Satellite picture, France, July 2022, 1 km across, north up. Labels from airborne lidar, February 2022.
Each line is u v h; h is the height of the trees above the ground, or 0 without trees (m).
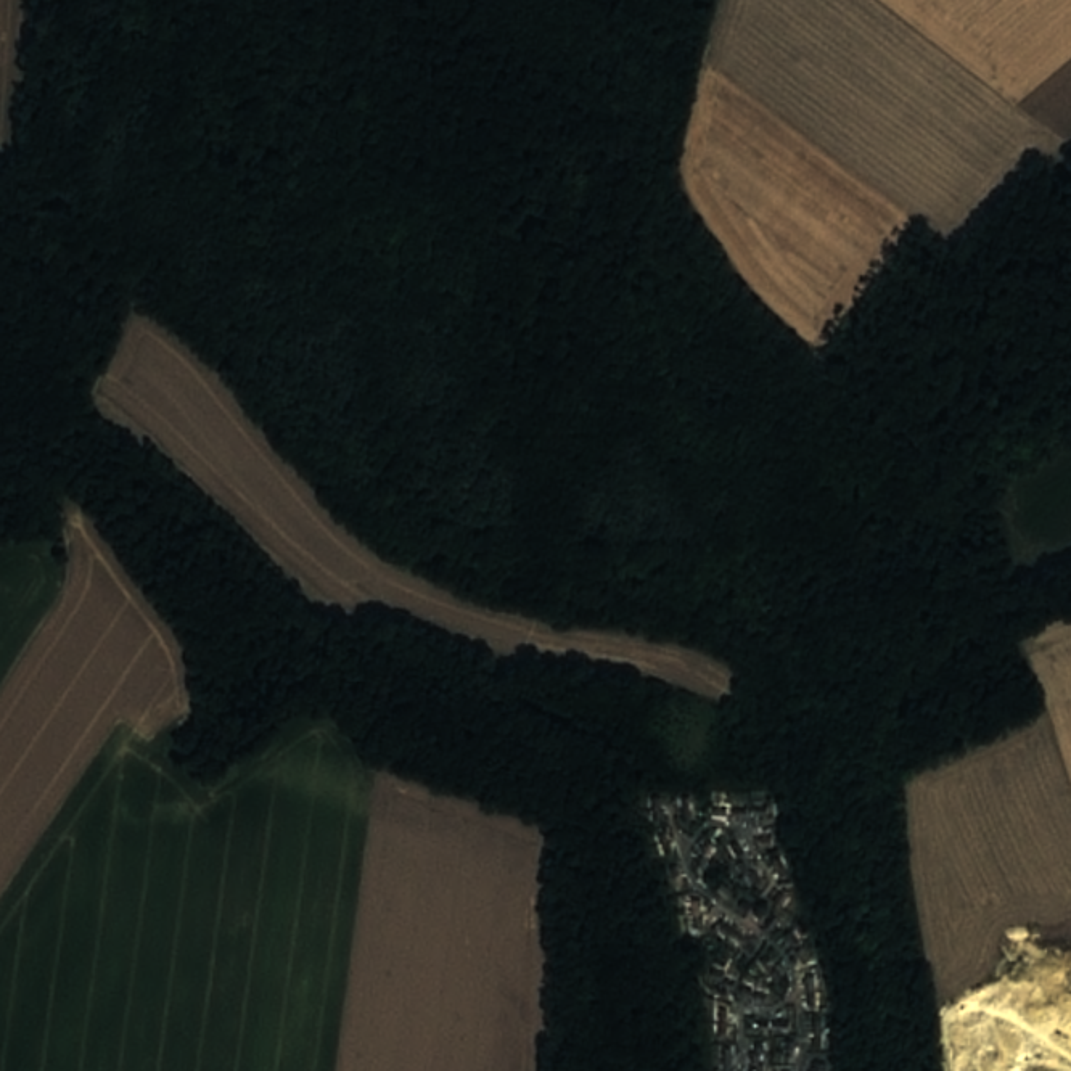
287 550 0
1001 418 21
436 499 17
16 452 27
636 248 16
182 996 0
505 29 24
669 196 20
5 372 28
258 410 21
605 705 10
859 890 17
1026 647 0
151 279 23
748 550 15
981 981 0
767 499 19
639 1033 20
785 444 22
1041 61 0
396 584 0
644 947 26
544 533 22
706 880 10
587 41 29
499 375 24
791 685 21
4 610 0
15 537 19
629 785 24
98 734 0
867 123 0
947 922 0
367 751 18
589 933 21
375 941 0
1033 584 21
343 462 17
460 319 19
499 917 0
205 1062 0
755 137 0
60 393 24
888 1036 20
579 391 22
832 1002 10
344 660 22
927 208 0
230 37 22
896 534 24
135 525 23
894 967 17
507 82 24
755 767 14
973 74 0
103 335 21
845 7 0
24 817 0
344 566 0
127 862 0
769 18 0
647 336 20
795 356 20
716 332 22
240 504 0
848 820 22
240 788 0
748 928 0
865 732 21
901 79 0
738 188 0
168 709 0
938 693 20
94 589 0
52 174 23
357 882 0
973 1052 0
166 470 17
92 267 23
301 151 22
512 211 23
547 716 20
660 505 17
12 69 0
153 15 17
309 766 0
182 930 0
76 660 0
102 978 0
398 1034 0
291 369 22
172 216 18
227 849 0
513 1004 0
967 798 0
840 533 23
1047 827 0
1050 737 0
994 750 0
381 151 16
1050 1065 0
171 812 0
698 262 19
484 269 20
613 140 27
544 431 24
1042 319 21
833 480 19
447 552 19
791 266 0
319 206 20
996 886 0
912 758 16
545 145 17
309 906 0
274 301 13
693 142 0
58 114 20
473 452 17
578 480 19
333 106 21
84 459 21
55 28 24
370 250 14
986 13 0
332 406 16
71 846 0
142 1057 0
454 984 0
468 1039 0
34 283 27
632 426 14
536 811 15
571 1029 21
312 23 25
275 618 25
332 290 19
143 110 18
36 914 0
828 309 0
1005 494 16
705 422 19
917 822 0
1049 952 0
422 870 0
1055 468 0
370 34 21
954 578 22
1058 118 0
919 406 24
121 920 0
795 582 18
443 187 20
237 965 0
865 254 0
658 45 26
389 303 20
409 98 24
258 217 19
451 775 21
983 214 12
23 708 0
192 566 25
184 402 0
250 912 0
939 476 21
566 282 28
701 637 24
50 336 26
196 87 23
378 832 0
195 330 30
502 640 0
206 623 22
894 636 20
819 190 0
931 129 0
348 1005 0
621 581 22
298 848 0
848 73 0
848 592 23
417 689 26
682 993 18
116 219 20
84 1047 0
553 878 19
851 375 18
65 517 20
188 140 22
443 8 25
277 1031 0
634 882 25
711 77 0
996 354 21
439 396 18
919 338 21
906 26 0
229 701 25
